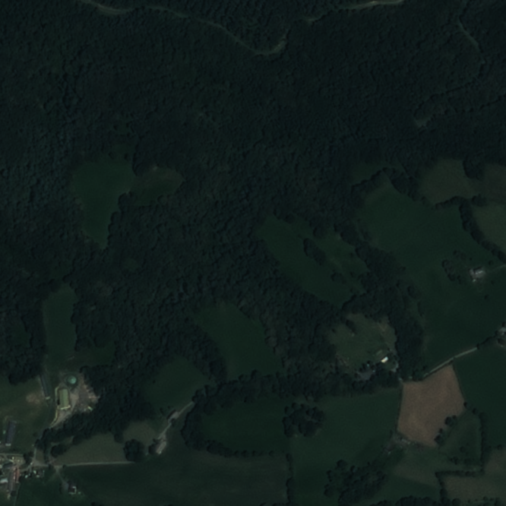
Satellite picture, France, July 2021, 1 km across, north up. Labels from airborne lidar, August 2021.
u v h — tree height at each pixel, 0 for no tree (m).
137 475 0
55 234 20
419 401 0
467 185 0
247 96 16
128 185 0
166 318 29
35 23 8
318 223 26
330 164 14
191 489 0
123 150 0
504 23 16
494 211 0
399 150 21
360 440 0
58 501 0
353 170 17
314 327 10
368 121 23
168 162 25
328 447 0
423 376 15
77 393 0
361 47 23
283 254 0
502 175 0
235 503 0
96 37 18
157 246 20
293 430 21
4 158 19
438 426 0
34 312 23
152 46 9
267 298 30
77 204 20
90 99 22
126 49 9
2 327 19
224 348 0
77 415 12
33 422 0
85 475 0
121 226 23
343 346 0
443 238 0
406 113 21
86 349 17
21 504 0
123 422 26
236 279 7
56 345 0
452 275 13
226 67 20
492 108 17
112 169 0
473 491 0
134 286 20
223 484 0
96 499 0
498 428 0
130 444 12
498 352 0
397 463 0
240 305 15
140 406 31
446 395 0
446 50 22
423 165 24
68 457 0
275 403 0
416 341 24
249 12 27
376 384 19
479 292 0
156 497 0
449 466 0
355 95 20
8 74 18
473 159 23
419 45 6
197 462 0
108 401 20
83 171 0
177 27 21
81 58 21
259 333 0
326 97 17
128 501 0
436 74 26
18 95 11
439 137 22
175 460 0
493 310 0
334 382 24
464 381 0
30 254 9
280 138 7
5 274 20
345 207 18
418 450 0
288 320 17
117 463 0
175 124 27
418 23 24
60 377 0
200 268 27
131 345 21
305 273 0
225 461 0
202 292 18
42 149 31
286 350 9
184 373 0
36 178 32
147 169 24
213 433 0
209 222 30
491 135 20
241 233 23
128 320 26
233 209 25
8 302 18
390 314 15
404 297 8
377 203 0
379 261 20
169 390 0
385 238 0
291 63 21
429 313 0
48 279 11
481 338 0
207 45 19
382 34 24
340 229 27
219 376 18
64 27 14
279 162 19
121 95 17
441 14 22
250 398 24
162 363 23
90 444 0
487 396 0
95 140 25
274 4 23
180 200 16
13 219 12
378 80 17
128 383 25
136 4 12
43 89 26
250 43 9
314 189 21
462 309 0
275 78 19
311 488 0
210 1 26
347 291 0
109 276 23
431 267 0
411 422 0
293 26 24
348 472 7
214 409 18
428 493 0
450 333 0
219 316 0
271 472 0
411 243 0
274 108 20
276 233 0
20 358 13
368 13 22
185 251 19
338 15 24
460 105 26
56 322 0
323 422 19
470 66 18
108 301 25
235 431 0
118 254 24
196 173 24
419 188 21
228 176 18
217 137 22
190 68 17
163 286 23
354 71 18
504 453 0
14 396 0
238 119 20
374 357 0
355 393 17
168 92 14
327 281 0
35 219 23
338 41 24
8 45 18
